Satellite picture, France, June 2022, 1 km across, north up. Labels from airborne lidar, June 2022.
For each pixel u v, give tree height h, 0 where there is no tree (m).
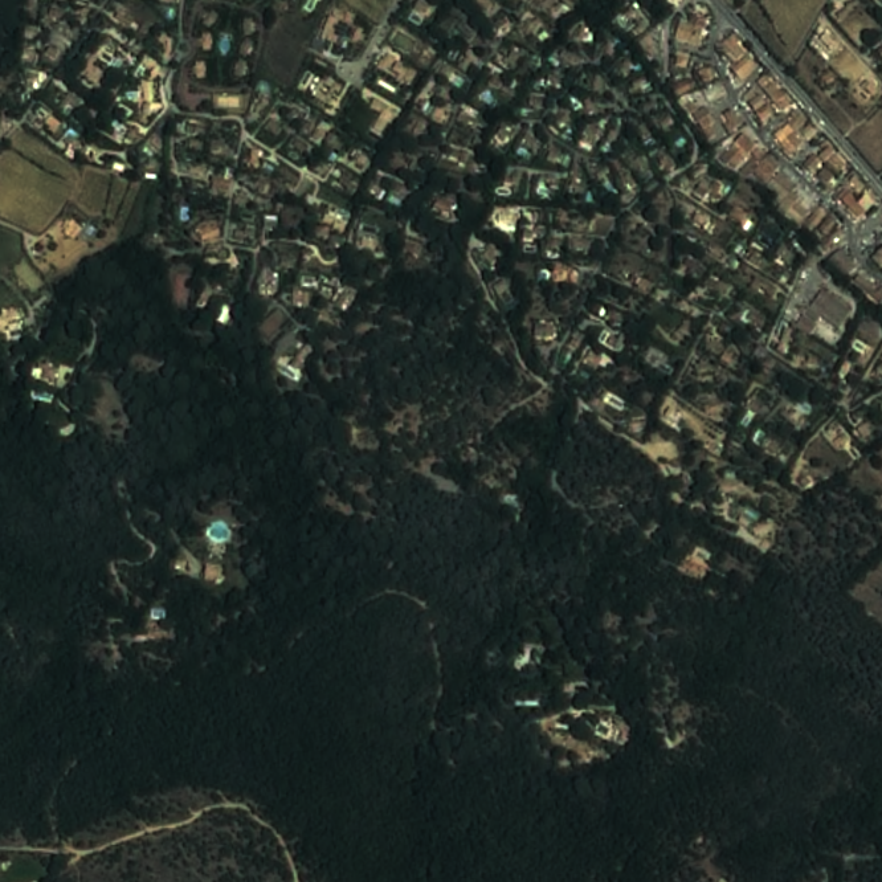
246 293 8
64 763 9
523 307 10
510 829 11
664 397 8
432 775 9
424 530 18
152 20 0
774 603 12
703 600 9
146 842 8
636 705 17
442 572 14
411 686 6
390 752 8
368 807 8
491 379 12
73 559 8
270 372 15
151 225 9
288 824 7
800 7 0
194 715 11
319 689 10
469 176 8
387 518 16
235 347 10
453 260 16
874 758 6
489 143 9
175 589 9
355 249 13
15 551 9
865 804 12
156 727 12
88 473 16
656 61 7
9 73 11
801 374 7
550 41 11
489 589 18
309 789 12
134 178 10
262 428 13
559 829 11
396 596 5
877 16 12
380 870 13
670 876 8
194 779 9
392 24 8
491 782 11
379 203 9
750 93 0
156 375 11
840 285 13
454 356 10
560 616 13
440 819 14
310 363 7
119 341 9
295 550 13
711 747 7
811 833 8
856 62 0
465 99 9
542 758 14
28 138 0
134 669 8
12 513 6
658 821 10
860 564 9
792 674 11
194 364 22
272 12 11
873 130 0
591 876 13
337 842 11
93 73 0
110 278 16
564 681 7
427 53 0
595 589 10
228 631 15
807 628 8
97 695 13
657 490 8
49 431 13
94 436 12
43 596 6
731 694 6
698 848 8
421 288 7
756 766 9
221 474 15
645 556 7
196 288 19
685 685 7
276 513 11
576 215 6
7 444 9
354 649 7
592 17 12
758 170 0
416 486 8
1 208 0
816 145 8
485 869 13
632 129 12
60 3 8
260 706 9
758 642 6
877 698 15
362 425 11
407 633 8
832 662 7
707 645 8
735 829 7
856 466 8
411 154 13
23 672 8
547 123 9
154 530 13
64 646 16
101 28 10
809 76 0
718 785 9
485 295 10
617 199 11
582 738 17
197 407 19
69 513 13
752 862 8
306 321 13
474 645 12
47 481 8
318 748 9
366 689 12
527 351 8
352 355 10
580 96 13
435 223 13
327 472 17
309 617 7
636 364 6
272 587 13
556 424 7
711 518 12
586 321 9
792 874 8
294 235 14
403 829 10
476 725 14
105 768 8
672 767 7
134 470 14
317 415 15
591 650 11
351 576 10
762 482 13
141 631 12
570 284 10
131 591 5
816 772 6
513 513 12
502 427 7
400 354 11
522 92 12
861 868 6
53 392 12
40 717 13
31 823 7
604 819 9
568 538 9
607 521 7
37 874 0
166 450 16
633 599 11
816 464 10
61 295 14
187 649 12
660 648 12
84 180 0
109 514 7
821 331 0
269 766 10
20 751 11
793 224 12
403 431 9
